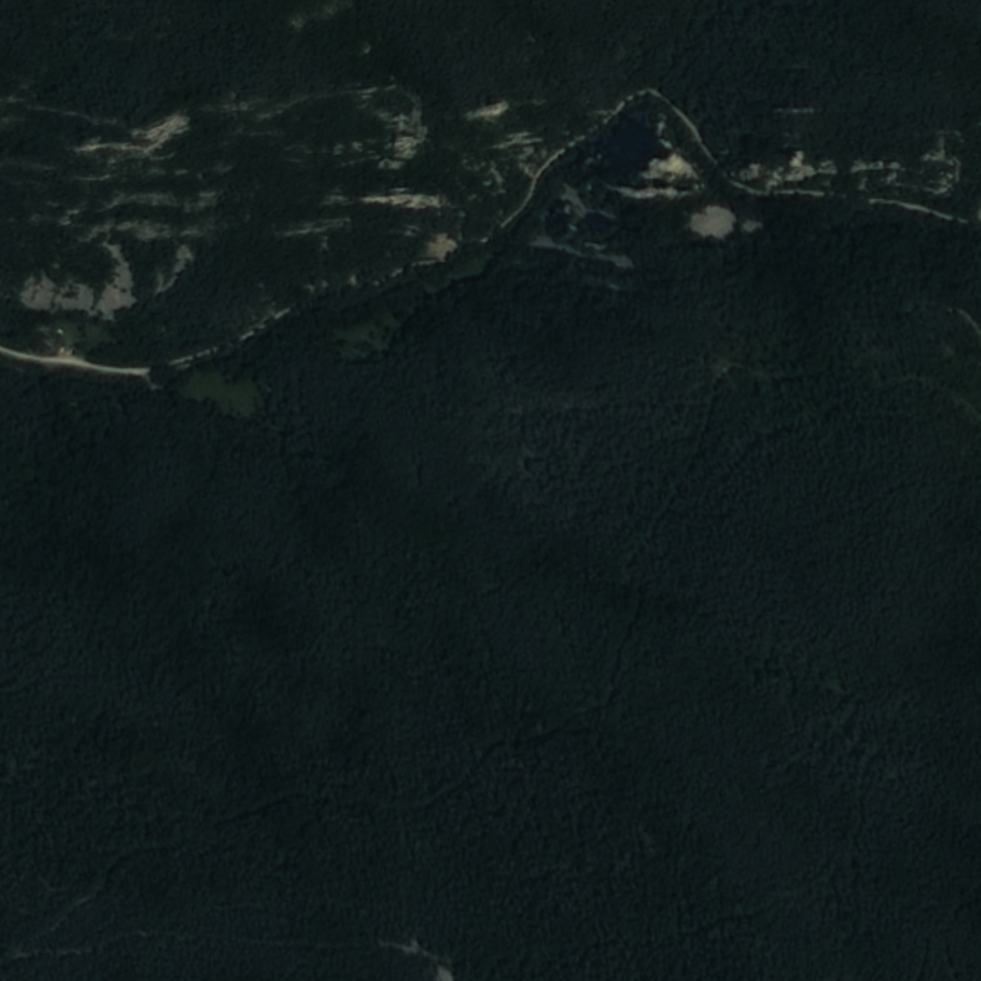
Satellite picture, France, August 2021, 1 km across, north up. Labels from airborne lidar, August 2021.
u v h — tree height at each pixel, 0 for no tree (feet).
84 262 31
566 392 26
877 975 29
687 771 52
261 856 65
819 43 26
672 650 52
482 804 76
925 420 22
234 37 68
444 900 30
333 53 48
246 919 33
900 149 32
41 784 42
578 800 75
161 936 25
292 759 51
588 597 57
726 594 40
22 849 31
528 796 68
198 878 40
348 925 40
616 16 55
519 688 62
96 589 41
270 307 25
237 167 21
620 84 42
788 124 46
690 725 43
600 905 69
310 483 57
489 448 43
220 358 36
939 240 68
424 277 39
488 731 48
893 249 63
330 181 33
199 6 39
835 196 27
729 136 42
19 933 29
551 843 84
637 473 29
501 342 32
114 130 23
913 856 40
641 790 56
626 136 45
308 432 25
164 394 46
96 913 19
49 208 21
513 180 38
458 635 60
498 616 55
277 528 55
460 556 38
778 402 40
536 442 27
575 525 24
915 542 52
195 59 50
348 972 29
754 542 63
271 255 39
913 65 46
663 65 48
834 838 60
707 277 50
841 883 64
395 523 44
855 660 37
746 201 60
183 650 57
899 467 43
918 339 40
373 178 30
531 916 52
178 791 45
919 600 40
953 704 71
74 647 32
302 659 43
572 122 35
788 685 55
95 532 46
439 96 52
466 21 27
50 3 31
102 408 36
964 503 66
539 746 49
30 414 31
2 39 40
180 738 53
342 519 53
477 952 46
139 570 56
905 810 46
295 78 30
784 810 50
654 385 38
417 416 46
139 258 33
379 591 49
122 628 50
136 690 46
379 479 50
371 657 60
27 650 37
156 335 23
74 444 43
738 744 43
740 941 44
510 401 30
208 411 29
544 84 32
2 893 36
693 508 32
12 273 29
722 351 39
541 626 59
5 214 18
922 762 41
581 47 47
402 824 27
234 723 74
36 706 39
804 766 35
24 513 50
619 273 44
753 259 79
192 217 20
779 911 39
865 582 48
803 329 74
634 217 73
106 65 66
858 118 57
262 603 67
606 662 40
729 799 60
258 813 28
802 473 51
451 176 22
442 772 46
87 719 39
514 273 31
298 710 38
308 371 47
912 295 45
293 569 46
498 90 35
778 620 40
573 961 49
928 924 43
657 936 54
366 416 57
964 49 66
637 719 52
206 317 31
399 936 31
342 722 51
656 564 51
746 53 59
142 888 53
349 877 45
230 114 22
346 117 25
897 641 35
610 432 31
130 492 47
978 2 63
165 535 45
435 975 28
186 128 40
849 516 57
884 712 62
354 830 69
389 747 51
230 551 49
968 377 28
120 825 43
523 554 51
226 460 54
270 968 34
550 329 43
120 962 37
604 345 46
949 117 60
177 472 29
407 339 55
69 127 19
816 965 40
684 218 51
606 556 49
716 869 52
